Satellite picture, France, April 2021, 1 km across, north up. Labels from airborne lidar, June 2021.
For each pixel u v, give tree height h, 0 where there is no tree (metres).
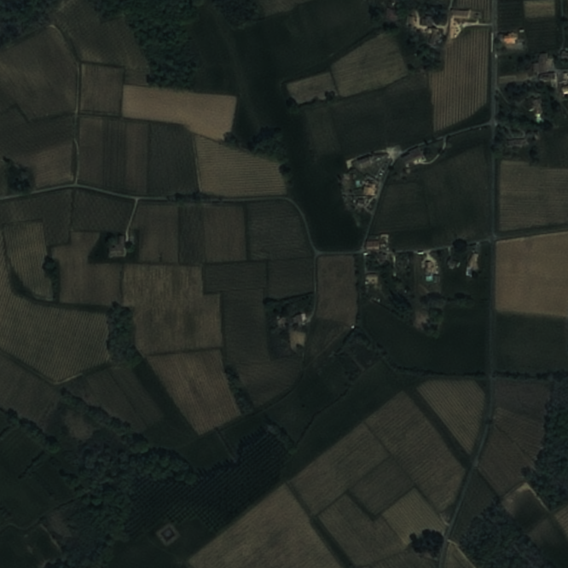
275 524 0
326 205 0
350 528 0
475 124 0
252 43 0
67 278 0
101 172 0
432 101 0
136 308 0
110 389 0
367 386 0
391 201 0
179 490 23
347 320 0
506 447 0
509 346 0
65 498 0
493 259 0
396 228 0
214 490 23
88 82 0
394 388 0
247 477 24
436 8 7
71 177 0
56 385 0
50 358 0
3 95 0
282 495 0
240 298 0
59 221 0
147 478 26
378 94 0
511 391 0
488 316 0
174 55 7
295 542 0
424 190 0
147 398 0
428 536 14
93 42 0
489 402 0
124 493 17
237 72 0
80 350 0
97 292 0
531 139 8
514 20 0
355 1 0
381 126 0
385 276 6
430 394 0
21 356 0
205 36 0
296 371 0
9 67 0
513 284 0
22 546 0
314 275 0
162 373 0
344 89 0
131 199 0
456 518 0
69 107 0
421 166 0
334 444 0
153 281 0
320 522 0
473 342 0
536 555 15
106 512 23
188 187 0
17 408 0
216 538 0
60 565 14
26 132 0
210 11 0
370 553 0
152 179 0
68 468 0
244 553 0
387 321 0
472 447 0
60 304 0
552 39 0
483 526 16
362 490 0
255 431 0
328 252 0
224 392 0
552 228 0
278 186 0
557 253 0
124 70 0
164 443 0
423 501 0
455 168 0
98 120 0
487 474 0
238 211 0
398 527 0
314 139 0
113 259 0
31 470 6
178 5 21
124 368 0
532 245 0
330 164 0
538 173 0
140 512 27
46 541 0
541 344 0
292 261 0
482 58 0
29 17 27
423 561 0
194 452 0
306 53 0
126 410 0
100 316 0
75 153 0
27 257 0
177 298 0
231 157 0
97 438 8
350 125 0
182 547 0
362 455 0
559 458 21
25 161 0
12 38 12
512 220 0
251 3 20
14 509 0
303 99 0
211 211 0
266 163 0
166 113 0
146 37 13
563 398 22
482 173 0
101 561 18
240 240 0
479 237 0
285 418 0
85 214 0
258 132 0
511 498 0
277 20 0
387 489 0
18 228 0
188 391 0
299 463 0
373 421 0
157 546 0
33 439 12
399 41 0
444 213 0
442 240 0
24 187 18
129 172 0
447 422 0
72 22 0
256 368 0
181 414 0
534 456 0
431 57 7
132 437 13
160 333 0
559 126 0
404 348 0
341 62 0
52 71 0
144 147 0
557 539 0
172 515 17
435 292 0
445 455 0
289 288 0
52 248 0
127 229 0
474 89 0
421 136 0
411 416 0
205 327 0
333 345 0
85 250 0
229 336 0
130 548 0
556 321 0
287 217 0
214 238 0
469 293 0
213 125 0
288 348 0
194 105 0
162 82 9
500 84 0
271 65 0
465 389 0
